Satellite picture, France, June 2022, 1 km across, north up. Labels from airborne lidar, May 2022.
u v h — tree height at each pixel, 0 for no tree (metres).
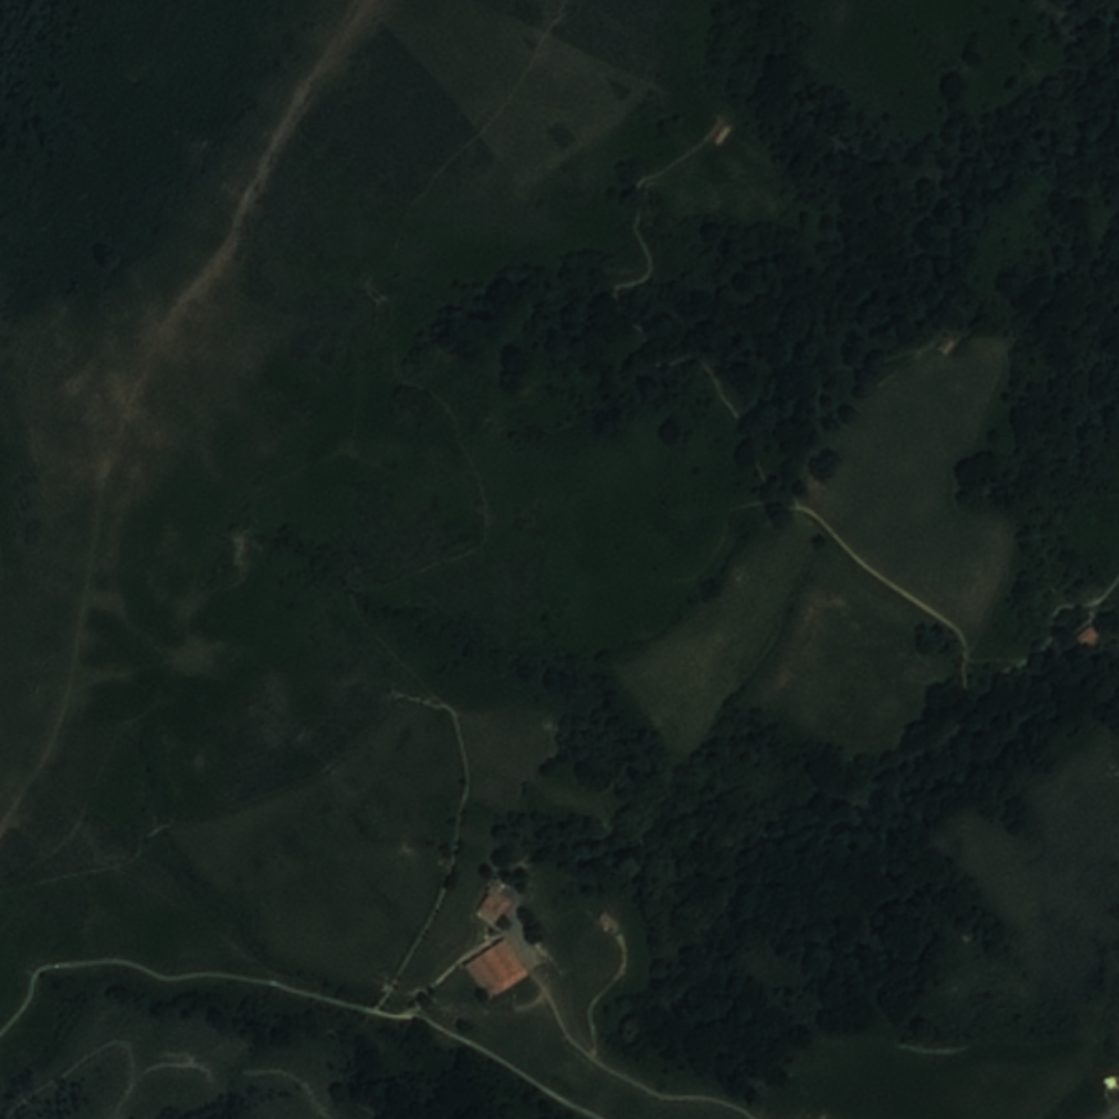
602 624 0
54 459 0
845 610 0
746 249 10
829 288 14
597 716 11
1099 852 0
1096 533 0
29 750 0
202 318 0
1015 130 22
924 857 30
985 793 24
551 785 0
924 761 11
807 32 6
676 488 0
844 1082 0
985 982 0
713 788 12
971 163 20
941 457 0
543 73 0
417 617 9
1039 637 7
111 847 0
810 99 24
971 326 10
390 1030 8
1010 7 0
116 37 0
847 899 33
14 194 0
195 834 0
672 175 0
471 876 0
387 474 0
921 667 0
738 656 0
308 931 0
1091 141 18
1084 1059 0
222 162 0
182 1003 12
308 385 0
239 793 0
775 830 26
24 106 13
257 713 0
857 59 0
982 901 14
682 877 18
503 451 0
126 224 0
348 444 0
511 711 0
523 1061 0
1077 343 20
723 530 0
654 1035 23
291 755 0
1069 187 19
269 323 0
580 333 24
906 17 0
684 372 8
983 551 0
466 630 13
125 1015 0
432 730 0
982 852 0
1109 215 0
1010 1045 0
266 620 0
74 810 0
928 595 0
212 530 0
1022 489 10
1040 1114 0
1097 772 0
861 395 14
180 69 0
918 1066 0
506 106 0
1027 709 25
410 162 0
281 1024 9
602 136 0
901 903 20
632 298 14
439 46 0
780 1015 18
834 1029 14
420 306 0
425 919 0
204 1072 0
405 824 0
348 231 0
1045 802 0
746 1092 18
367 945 0
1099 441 17
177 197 0
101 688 0
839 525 0
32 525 0
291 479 0
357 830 0
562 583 0
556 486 0
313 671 0
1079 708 24
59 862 0
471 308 8
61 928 0
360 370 0
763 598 0
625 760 9
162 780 0
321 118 0
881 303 19
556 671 10
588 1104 0
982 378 0
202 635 0
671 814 9
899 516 0
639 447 0
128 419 0
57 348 0
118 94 0
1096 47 25
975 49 9
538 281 20
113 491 0
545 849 8
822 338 27
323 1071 0
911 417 0
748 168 0
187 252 0
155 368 0
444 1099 21
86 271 0
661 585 0
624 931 0
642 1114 0
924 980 14
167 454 0
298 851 0
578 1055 0
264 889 0
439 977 0
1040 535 8
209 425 0
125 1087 0
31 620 0
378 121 0
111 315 0
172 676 0
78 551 0
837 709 0
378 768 0
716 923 23
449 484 0
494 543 0
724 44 10
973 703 14
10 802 0
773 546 0
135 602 0
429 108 0
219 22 0
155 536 0
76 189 0
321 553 6
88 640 0
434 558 0
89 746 0
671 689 0
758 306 10
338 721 0
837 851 32
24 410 0
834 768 20
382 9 0
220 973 0
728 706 10
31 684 0
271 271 0
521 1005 0
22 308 0
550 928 0
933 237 28
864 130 16
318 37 0
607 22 0
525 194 0
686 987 24
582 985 0
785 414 26
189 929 0
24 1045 0
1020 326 7
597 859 23
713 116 0
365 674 0
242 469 0
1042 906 0
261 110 0
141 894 0
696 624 0
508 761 0
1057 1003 0
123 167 0
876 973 28
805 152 26
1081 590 8
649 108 0
